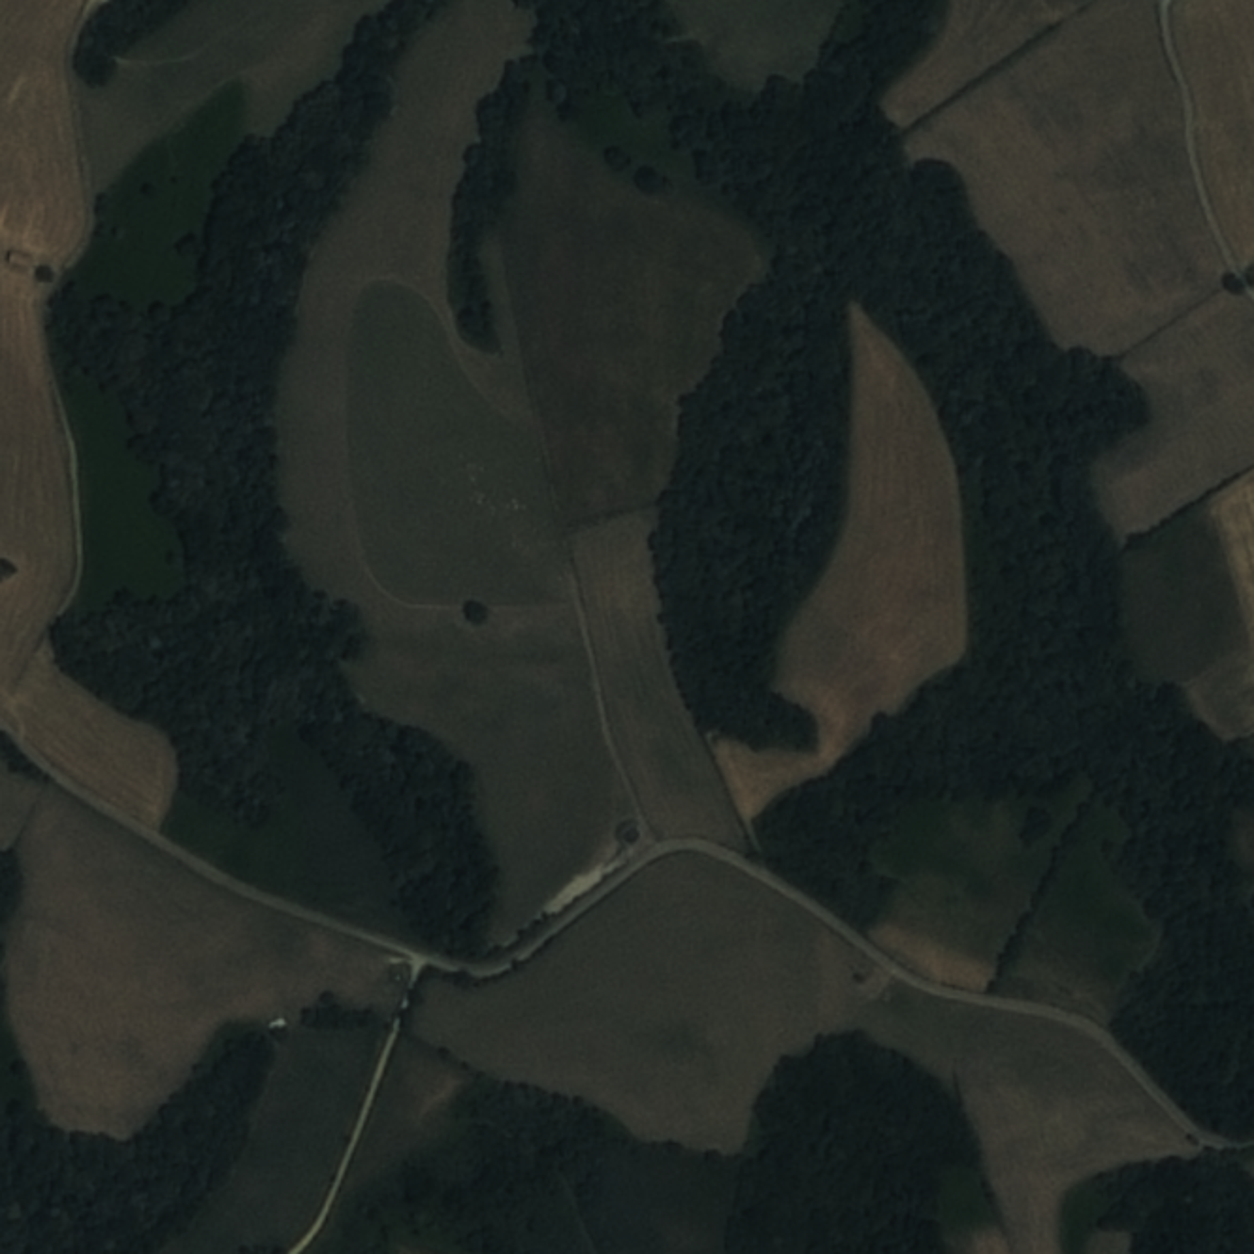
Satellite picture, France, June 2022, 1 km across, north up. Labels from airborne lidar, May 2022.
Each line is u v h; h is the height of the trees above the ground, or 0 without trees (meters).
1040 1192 0
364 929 0
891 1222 27
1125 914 0
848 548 0
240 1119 14
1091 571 24
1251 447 0
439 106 0
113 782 0
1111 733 28
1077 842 6
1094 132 0
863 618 0
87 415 0
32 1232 20
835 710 0
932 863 0
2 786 0
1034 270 0
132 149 0
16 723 0
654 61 21
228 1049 8
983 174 0
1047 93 0
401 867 11
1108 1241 0
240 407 24
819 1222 23
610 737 0
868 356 0
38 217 0
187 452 24
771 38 0
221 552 19
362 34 15
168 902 0
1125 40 0
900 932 0
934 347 21
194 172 0
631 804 0
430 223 0
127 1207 21
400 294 0
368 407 0
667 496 12
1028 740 31
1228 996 17
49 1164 21
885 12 18
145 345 25
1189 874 23
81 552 0
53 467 0
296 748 0
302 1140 0
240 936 0
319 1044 0
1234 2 0
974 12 0
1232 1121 22
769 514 17
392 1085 0
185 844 0
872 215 18
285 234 19
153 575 0
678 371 0
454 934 18
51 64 0
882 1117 23
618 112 0
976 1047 0
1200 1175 17
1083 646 28
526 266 0
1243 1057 20
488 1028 0
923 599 0
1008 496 16
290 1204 0
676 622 13
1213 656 0
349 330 0
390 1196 12
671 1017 0
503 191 19
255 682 16
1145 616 0
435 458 0
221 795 14
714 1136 0
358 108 23
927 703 15
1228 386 0
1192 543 0
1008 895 0
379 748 25
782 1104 11
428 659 0
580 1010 0
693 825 0
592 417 0
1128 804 13
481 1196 13
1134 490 0
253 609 25
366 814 11
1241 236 0
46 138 0
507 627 0
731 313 7
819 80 15
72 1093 0
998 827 0
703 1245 0
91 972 0
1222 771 25
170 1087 0
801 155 23
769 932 0
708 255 0
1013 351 7
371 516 0
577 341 0
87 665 16
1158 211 0
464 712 0
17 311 0
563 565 0
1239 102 0
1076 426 24
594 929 0
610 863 0
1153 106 0
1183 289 0
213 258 20
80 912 0
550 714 0
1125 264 0
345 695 8
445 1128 0
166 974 0
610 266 0
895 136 17
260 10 0
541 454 0
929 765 29
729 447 17
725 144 17
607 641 0
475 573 0
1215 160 0
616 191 0
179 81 0
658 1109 0
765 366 20
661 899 0
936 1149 14
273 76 0
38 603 0
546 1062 0
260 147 19
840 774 12
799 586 10
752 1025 0
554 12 20
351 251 0
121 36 18
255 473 18
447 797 15
